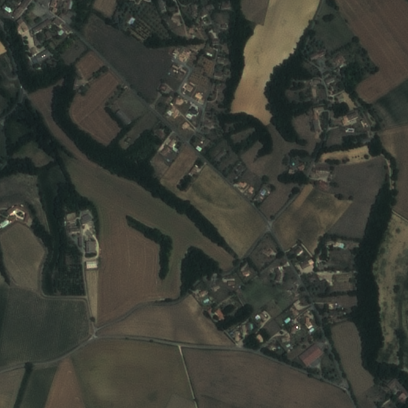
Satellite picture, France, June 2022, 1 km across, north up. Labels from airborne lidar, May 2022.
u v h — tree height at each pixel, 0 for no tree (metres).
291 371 0
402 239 0
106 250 0
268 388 0
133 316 0
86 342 0
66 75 15
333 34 0
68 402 0
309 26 9
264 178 12
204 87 0
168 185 0
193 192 0
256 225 0
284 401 0
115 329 0
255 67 0
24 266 0
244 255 0
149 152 8
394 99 0
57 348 0
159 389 0
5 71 0
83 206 16
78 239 0
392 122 0
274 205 0
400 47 0
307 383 0
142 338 0
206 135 9
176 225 0
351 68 9
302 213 0
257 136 16
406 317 0
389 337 0
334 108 12
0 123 0
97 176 0
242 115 13
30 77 16
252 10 0
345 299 0
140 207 0
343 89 13
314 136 0
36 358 0
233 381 0
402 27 0
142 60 0
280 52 0
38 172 18
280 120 20
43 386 0
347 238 10
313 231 0
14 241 0
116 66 0
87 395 0
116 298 0
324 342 0
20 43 8
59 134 0
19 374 0
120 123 13
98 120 0
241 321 13
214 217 0
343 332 0
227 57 7
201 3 6
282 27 0
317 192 0
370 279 21
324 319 9
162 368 0
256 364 0
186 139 0
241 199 0
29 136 18
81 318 0
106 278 0
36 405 0
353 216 0
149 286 0
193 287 11
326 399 0
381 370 21
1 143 0
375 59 0
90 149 16
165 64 0
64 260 6
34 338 0
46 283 0
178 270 0
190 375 0
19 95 10
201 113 0
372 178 0
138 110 0
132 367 0
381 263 0
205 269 12
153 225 0
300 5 0
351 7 0
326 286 7
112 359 0
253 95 0
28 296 0
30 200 0
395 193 17
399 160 0
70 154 12
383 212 20
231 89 18
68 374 0
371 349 19
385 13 0
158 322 0
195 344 0
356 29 0
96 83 0
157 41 14
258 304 0
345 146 12
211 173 0
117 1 8
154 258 0
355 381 0
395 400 14
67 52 0
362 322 14
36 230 14
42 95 0
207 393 0
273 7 0
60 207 15
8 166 12
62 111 12
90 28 0
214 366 0
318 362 0
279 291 0
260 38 0
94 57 0
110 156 12
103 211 0
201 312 0
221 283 0
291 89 7
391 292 0
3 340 0
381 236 18
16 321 0
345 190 0
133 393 0
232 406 0
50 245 15
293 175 6
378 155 14
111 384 0
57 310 0
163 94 8
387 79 0
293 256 9
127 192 0
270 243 0
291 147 0
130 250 0
